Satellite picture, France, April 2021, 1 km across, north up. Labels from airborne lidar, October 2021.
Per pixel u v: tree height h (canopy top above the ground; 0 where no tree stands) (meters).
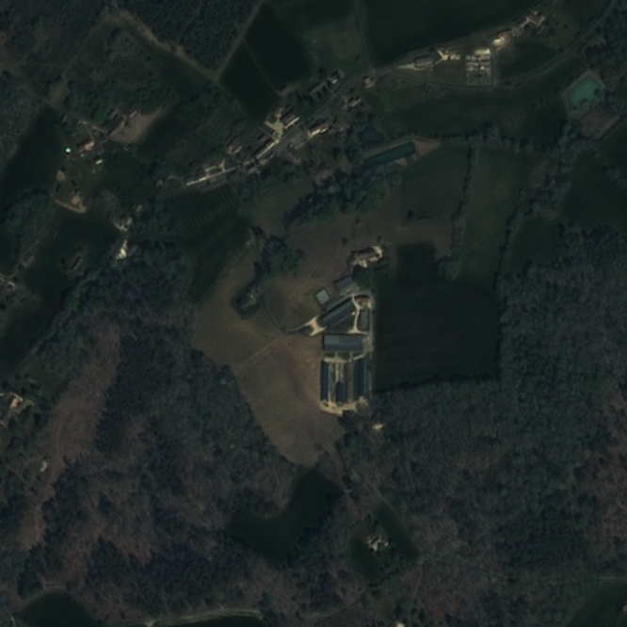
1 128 12
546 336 16
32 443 13
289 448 0
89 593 16
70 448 0
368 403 17
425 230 0
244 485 23
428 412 24
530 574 28
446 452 23
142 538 19
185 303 20
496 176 0
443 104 0
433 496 25
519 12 0
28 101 19
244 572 29
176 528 26
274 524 0
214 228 0
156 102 6
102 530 19
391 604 0
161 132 0
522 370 19
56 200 0
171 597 23
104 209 12
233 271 0
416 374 0
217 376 21
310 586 11
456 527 24
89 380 0
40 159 0
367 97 0
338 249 0
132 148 12
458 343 0
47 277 0
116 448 22
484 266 0
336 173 0
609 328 21
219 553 19
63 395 15
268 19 0
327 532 17
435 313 0
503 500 13
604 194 0
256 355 0
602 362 19
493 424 25
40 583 6
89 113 10
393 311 0
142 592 28
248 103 0
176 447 25
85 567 9
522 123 0
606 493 15
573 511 14
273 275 28
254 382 0
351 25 0
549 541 26
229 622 0
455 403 24
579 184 0
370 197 24
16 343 0
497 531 19
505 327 9
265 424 0
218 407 24
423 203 0
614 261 27
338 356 0
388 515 0
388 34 0
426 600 7
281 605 17
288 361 0
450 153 0
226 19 19
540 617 12
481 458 21
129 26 0
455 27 0
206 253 0
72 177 0
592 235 0
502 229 0
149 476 18
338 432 0
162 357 19
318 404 0
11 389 7
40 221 20
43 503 0
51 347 17
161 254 20
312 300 0
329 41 0
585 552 29
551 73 0
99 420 0
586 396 18
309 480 0
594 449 23
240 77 0
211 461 25
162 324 15
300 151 0
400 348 0
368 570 0
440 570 18
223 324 0
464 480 21
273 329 0
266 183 20
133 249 19
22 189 0
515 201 0
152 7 21
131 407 21
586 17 0
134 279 29
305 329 0
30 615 0
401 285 0
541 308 10
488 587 17
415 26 0
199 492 20
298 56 0
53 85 14
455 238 12
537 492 23
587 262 19
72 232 0
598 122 0
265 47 0
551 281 19
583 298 15
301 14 0
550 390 9
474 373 0
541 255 0
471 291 0
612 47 27
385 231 0
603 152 0
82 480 9
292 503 0
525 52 0
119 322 18
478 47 0
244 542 0
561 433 19
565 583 26
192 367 22
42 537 0
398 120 0
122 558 13
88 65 0
